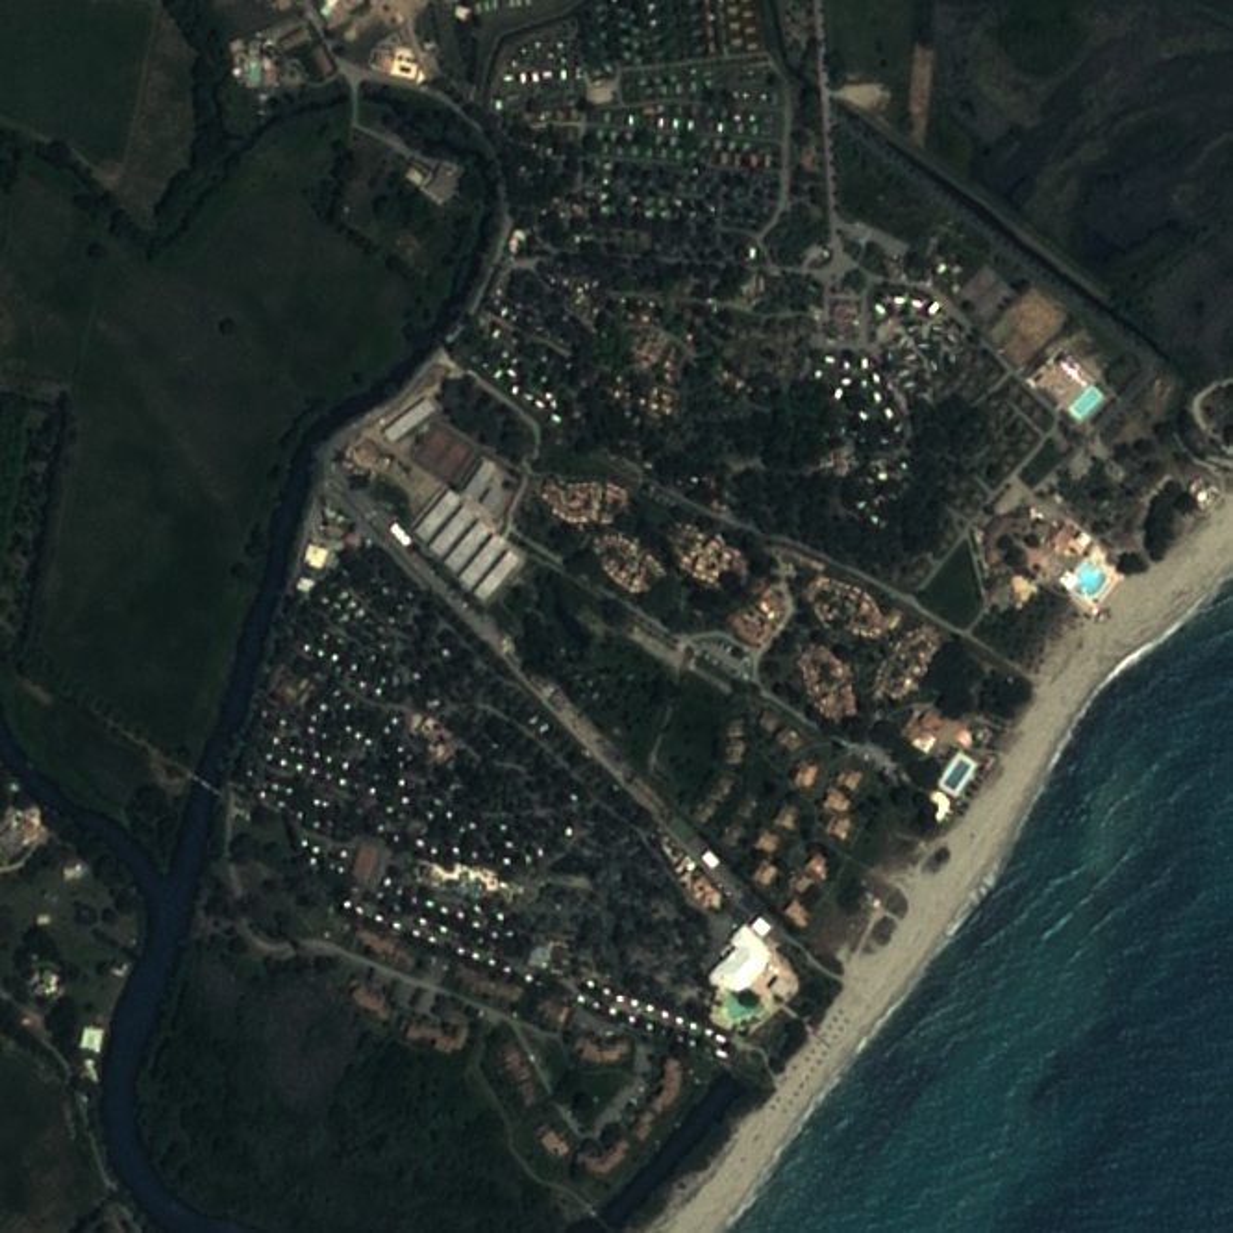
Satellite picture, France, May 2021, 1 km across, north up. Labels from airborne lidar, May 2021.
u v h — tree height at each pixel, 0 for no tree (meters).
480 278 12
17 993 17
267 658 9
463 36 15
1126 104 0
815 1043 0
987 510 8
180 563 0
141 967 0
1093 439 0
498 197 10
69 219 0
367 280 0
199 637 0
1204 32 0
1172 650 0
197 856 0
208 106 12
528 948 13
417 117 16
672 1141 0
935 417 15
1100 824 0
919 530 17
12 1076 0
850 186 0
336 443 0
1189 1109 0
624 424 14
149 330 0
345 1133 9
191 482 0
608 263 24
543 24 0
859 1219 0
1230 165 0
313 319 0
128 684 0
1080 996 0
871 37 0
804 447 20
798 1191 0
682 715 0
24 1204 0
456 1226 7
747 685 13
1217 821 0
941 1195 0
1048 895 0
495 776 9
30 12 0
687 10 10
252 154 7
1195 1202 0
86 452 0
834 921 0
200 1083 8
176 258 0
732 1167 0
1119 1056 0
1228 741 0
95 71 0
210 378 0
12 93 0
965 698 9
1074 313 7
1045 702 0
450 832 14
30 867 7
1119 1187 0
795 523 14
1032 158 0
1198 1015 0
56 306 0
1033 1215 0
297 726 13
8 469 23
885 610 7
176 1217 0
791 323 7
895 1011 0
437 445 0
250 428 0
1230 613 0
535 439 7
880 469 12
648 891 15
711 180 8
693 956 13
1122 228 0
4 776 12
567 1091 9
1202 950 0
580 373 21
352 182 21
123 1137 0
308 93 8
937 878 0
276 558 0
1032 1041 0
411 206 11
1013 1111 0
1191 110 0
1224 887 0
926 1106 0
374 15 0
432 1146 6
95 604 0
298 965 11
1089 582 0
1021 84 0
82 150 0
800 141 17
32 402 15
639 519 14
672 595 10
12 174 11
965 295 0
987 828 0
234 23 0
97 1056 6
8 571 16
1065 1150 0
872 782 0
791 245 9
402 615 18
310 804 13
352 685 6
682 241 10
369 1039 11
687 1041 12
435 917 15
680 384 8
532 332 19
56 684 17
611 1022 13
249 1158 11
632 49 12
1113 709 0
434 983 0
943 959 0
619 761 0
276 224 0
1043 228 0
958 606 0
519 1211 9
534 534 10
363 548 13
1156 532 17
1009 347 0
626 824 11
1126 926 0
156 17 0
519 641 10
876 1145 0
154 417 0
